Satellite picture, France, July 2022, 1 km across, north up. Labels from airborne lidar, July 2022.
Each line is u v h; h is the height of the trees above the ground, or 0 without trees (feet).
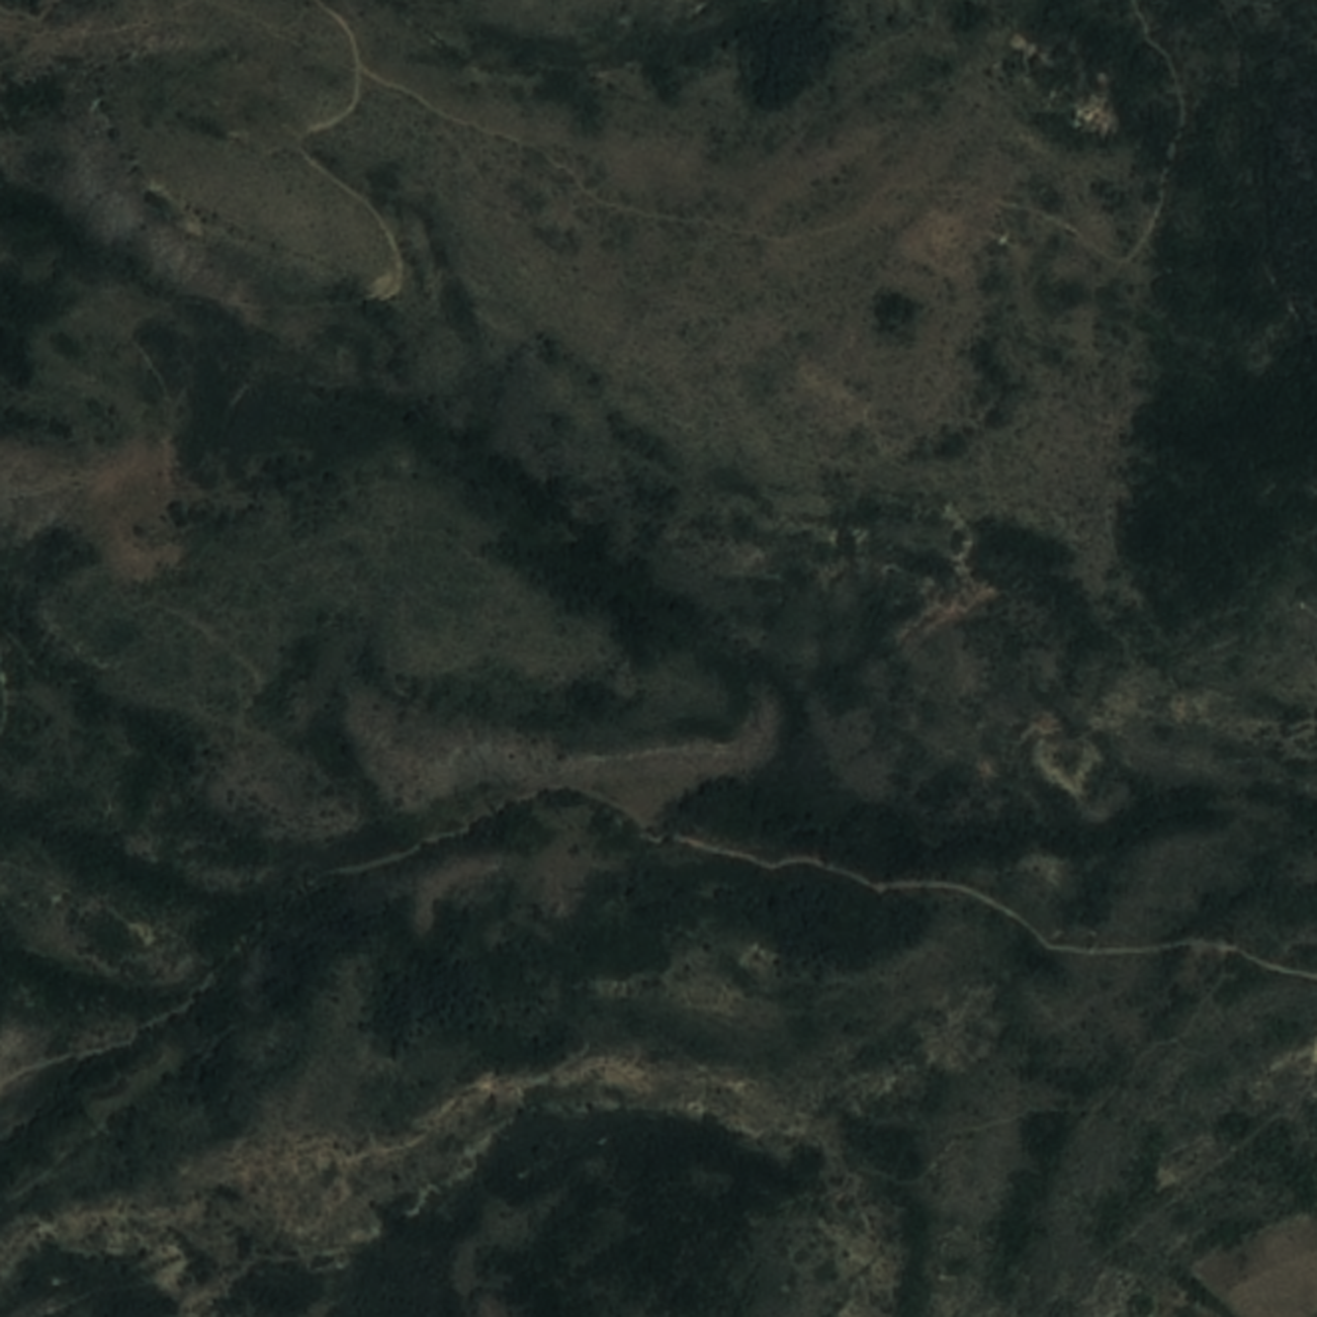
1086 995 0
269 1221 0
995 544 21
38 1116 28
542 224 0
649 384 0
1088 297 0
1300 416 33
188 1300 0
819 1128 0
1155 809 23
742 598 0
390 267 0
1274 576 18
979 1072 0
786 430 0
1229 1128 28
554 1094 0
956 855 23
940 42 0
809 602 0
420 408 21
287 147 0
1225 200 29
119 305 0
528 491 39
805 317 0
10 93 36
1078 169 0
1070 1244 0
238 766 0
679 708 0
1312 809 22
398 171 0
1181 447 17
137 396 0
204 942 31
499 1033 21
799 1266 0
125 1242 0
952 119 0
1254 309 22
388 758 0
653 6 0
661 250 0
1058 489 0
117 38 0
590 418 0
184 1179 0
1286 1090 0
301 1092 0
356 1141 0
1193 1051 0
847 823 24
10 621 27
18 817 23
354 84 0
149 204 19
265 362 0
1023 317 0
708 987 0
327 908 19
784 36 34
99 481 0
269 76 0
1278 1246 0
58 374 0
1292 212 22
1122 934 0
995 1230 19
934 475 0
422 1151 0
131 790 23
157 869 25
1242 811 0
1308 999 0
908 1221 19
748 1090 0
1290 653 0
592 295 0
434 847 25
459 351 0
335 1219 0
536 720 18
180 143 0
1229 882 0
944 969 0
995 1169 0
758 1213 18
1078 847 23
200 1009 39
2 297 20
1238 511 18
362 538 0
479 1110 0
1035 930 0
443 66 0
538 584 22
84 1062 29
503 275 0
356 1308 21
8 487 0
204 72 0
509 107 0
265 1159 0
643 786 0
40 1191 26
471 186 0
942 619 0
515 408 0
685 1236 19
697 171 0
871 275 0
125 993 32
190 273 0
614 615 37
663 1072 0
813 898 31
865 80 0
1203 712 0
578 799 39
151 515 0
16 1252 0
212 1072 20
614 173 0
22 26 0
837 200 0
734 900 20
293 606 0
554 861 0
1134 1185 28
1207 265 28
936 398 0
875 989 0
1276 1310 0
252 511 24
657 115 0
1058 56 19
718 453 0
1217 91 23
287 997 31
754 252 0
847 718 0
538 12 0
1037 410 0
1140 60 24
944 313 0
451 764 0
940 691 0
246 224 0
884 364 0
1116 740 0
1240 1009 0
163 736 22
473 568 0
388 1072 0
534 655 0
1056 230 0
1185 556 19
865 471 0
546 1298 21
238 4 0
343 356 0
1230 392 21
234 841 28
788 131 0
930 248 0
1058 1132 19
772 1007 0
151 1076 0
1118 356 0
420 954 27
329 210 0
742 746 0
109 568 0
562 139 0
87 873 26
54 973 42
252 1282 19
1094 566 0
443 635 0
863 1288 0
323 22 0
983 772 0
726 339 0
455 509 0
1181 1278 23
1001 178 0
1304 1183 20
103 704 30
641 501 24
